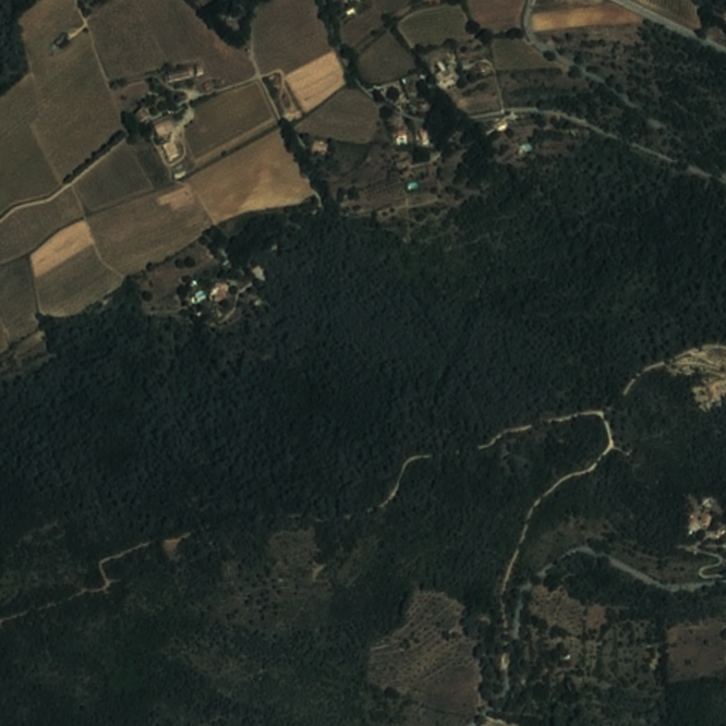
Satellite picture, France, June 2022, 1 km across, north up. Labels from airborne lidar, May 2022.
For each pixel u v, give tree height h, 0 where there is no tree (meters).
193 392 16
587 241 8
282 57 0
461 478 13
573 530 0
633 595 11
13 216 0
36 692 6
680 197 15
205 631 11
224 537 17
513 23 0
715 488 7
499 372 18
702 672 0
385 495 8
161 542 9
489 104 0
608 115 15
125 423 16
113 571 6
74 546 7
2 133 0
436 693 0
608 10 0
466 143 14
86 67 0
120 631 7
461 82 15
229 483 8
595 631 8
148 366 9
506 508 12
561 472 7
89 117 0
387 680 0
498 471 12
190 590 8
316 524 8
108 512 8
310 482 17
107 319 13
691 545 7
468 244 6
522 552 8
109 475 18
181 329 11
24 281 0
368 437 17
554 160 6
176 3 0
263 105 0
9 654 7
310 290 15
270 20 0
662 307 11
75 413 17
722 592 14
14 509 8
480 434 12
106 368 21
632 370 9
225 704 10
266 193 0
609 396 9
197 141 0
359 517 14
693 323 6
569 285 8
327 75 0
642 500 7
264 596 10
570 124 11
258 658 11
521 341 16
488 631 10
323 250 16
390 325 18
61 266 0
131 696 7
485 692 18
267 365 8
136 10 0
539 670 15
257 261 16
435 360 17
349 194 7
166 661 7
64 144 0
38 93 0
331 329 15
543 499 7
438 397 7
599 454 8
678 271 17
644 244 13
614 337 10
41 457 19
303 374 8
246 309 20
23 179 0
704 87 9
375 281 18
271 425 12
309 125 0
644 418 6
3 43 16
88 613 8
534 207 10
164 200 0
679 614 10
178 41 0
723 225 8
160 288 0
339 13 10
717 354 0
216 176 0
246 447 14
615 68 12
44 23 0
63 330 15
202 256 0
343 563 8
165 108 14
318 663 8
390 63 0
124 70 0
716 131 7
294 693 6
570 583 9
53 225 0
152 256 0
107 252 0
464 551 10
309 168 14
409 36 0
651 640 11
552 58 18
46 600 6
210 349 21
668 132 16
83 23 0
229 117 0
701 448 8
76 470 14
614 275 13
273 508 12
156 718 7
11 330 0
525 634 7
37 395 21
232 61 0
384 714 8
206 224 0
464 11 6
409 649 6
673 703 11
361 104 0
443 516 9
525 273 14
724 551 8
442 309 17
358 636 10
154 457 16
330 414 8
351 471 20
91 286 0
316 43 0
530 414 15
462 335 8
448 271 7
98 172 0
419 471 8
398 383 11
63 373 18
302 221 12
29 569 6
